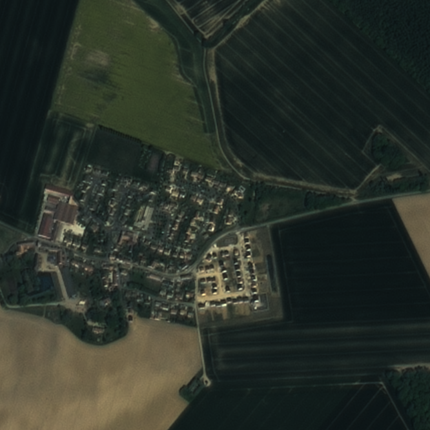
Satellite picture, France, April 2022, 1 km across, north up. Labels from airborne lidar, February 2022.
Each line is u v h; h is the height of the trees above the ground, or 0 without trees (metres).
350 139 0
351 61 0
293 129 0
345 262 0
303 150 0
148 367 0
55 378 0
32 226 0
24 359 0
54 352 0
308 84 0
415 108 0
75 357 0
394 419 0
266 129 0
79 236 0
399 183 10
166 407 0
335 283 0
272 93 0
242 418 0
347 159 0
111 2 0
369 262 0
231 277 0
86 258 0
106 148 0
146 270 0
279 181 0
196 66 0
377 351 0
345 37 0
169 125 0
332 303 0
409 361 0
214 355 0
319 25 0
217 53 0
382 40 15
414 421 22
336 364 0
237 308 0
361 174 0
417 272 0
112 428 0
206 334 0
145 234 0
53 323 0
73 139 0
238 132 0
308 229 0
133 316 0
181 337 0
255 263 0
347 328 0
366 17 23
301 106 0
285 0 0
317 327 0
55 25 0
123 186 0
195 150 0
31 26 0
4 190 0
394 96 0
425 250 0
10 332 0
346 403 0
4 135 0
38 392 0
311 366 0
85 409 0
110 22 0
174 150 0
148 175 0
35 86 0
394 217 0
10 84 0
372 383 0
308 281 0
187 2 0
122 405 0
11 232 0
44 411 0
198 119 0
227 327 0
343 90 0
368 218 0
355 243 0
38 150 0
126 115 0
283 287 0
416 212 0
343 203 15
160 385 0
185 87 0
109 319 15
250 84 0
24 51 0
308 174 0
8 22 0
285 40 0
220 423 0
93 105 0
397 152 20
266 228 0
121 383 0
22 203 0
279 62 0
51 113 0
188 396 9
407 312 0
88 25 0
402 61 18
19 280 0
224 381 0
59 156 0
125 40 0
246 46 0
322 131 0
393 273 0
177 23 0
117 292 16
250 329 0
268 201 0
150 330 0
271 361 0
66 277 0
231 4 0
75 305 0
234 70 0
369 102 0
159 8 0
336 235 0
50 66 0
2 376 0
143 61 0
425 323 0
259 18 0
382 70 0
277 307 0
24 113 0
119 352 0
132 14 0
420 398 25
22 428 0
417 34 22
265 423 0
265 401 0
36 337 0
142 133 0
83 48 0
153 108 0
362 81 0
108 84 0
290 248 0
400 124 0
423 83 11
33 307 0
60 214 0
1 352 0
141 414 0
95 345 0
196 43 0
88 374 0
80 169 0
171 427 0
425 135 0
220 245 0
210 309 0
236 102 0
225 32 0
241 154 0
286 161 0
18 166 0
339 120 0
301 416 0
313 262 0
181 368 0
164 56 0
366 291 0
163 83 0
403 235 0
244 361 0
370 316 0
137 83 0
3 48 0
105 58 0
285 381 0
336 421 0
